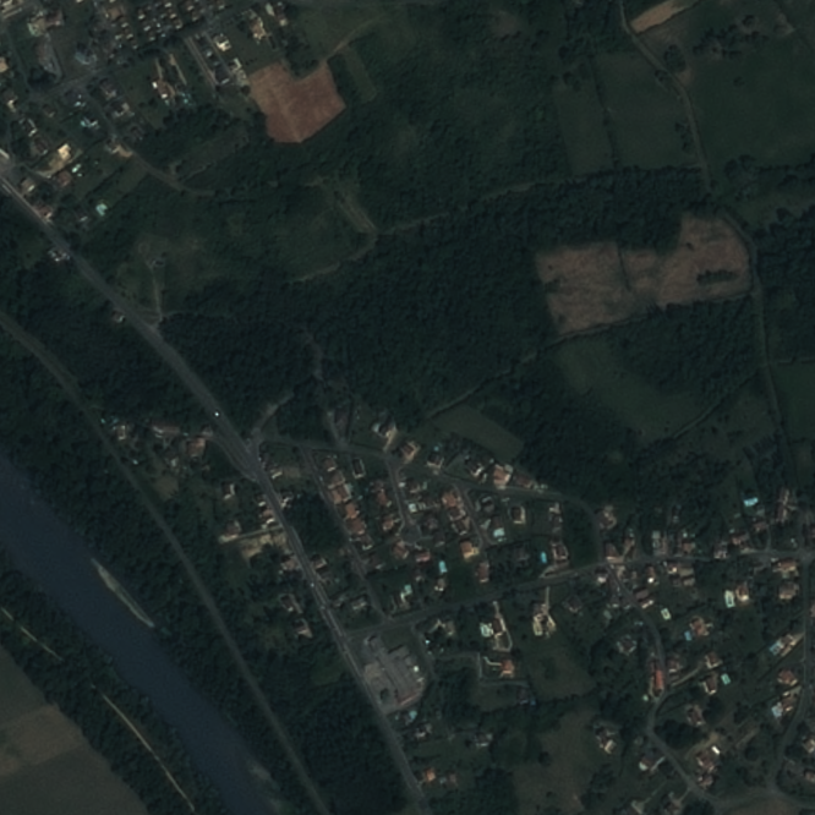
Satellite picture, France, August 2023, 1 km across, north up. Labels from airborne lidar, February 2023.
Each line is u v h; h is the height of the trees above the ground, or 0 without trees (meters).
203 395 0
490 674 0
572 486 7
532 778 0
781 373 0
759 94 0
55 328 19
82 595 0
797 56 0
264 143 11
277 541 14
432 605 13
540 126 8
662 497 8
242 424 6
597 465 6
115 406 17
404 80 9
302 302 18
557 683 0
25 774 0
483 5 19
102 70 0
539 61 6
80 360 18
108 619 0
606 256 0
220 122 13
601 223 24
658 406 0
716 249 0
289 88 0
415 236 19
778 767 0
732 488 0
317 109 0
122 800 0
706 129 0
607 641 9
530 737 0
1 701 0
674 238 11
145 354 5
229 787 0
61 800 0
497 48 13
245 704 15
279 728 0
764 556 0
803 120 0
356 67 0
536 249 22
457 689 11
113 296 0
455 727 11
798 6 0
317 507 18
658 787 0
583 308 0
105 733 12
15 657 9
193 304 13
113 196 0
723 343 11
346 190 0
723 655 0
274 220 9
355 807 19
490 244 20
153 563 8
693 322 11
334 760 19
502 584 11
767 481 14
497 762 13
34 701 0
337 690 6
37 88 20
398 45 0
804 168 6
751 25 13
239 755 0
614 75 0
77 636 22
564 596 0
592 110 0
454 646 13
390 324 27
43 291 18
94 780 0
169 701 0
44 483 25
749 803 0
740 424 0
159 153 6
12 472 0
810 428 0
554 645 0
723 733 7
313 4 0
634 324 5
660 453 16
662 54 0
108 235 9
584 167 0
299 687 20
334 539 8
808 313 20
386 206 6
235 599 10
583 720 0
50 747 0
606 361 0
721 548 0
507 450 0
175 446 6
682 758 0
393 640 0
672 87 6
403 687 0
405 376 6
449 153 9
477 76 6
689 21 0
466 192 12
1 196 7
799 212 0
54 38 0
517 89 8
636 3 15
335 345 27
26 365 17
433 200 6
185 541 7
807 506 9
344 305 10
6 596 13
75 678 17
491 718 14
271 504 0
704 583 7
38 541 0
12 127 8
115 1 0
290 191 20
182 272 0
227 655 17
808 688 0
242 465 0
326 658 9
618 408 0
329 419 0
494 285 7
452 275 21
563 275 0
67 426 14
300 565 0
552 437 11
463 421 0
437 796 0
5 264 27
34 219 0
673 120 0
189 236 0
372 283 9
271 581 6
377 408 7
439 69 8
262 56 0
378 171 14
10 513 0
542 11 16
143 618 0
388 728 0
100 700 15
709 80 0
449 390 13
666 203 28
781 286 21
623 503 0
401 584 0
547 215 17
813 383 0
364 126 11
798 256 20
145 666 0
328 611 0
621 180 20
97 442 9
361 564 0
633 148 0
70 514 25
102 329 17
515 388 16
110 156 0
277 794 0
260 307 21
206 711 0
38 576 0
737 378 20
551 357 7
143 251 0
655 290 0
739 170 23
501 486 0
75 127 0
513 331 6
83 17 0
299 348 21
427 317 26
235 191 7
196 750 0
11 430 18
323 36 0
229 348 25
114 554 23
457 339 10
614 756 0
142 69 0
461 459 0
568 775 0
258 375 22
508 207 14
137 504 18
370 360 14
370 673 0
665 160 0
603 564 0
